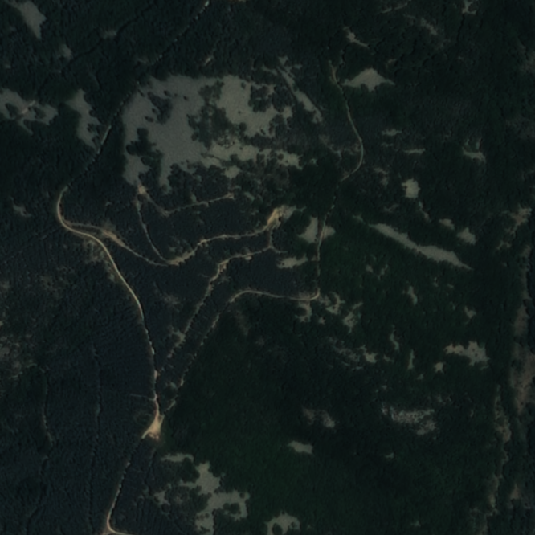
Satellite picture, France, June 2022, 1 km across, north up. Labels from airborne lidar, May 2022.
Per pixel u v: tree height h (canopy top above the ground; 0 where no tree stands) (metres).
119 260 12
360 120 10
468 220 20
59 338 16
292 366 16
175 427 15
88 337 19
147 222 12
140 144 10
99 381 13
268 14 17
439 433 12
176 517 17
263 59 13
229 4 15
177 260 0
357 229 22
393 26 21
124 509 13
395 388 13
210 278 11
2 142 14
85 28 16
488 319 24
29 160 14
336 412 17
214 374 17
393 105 22
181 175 7
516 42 17
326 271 13
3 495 15
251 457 14
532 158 14
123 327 16
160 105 11
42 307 18
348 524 11
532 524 7
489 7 23
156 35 19
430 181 20
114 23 18
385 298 11
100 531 12
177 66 17
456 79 24
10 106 10
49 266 14
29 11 0
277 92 11
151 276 16
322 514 13
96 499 16
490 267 26
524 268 9
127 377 15
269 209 12
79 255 14
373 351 12
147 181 10
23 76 18
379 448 23
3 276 13
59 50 19
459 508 13
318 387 15
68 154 18
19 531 17
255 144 10
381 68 23
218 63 7
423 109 13
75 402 12
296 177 12
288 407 24
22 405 16
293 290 16
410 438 18
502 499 18
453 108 6
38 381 18
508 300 21
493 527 14
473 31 23
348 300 10
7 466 9
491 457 15
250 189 12
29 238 17
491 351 15
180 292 16
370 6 21
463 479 18
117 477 9
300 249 13
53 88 18
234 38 19
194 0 18
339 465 21
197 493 11
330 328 14
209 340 13
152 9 15
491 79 13
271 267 18
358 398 22
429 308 15
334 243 12
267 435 8
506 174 18
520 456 14
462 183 21
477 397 21
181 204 12
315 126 9
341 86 11
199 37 17
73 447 14
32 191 11
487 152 15
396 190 15
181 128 0
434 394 8
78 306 14
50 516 16
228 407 14
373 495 13
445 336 21
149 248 13
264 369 18
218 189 13
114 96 18
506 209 8
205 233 14
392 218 22
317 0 11
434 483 16
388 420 17
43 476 13
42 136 13
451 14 23
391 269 11
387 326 14
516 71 16
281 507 12
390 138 12
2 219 12
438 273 15
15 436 15
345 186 20
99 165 17
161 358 14
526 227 13
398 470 21
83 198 15
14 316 13
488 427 19
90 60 19
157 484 10
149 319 15
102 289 16
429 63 26
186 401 17
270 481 15
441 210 25
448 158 24
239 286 16
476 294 19
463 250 20
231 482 18
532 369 0
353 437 24
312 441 20
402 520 14
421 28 7
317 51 14
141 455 14
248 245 14
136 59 18
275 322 16
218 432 19
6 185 12
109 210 10
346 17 22
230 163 9
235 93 0
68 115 13
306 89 11
